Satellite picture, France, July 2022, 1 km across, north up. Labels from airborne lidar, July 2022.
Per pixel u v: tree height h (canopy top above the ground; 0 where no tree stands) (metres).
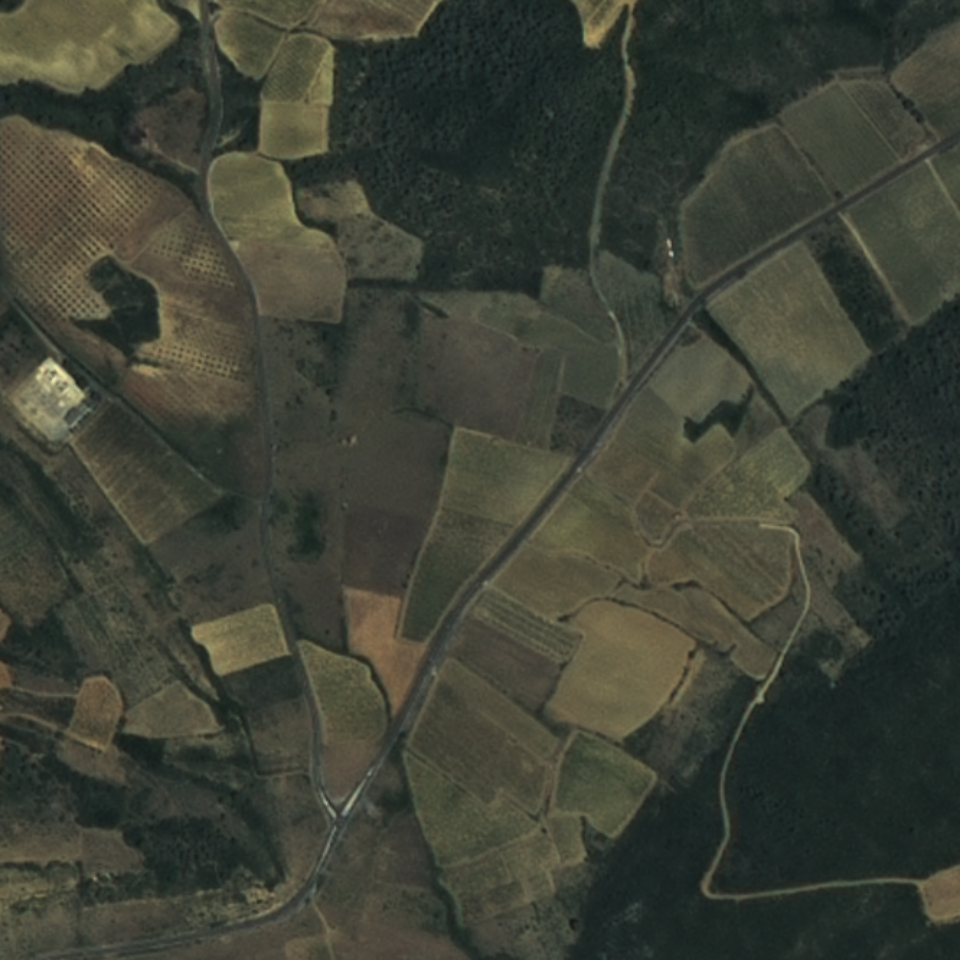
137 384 0
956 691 0
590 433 0
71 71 0
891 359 6
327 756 0
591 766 0
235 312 0
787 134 0
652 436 0
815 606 0
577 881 0
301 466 0
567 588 0
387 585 0
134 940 0
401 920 0
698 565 0
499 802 0
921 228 0
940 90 0
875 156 0
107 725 0
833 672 0
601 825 0
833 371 0
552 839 0
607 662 0
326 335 6
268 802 0
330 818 0
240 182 0
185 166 0
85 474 0
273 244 0
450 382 0
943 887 0
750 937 0
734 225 0
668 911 0
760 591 0
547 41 8
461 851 0
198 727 0
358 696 0
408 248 0
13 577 0
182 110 0
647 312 0
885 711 0
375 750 0
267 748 0
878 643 6
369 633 0
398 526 0
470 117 8
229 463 0
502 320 0
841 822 0
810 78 0
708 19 9
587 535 0
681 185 0
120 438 0
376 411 0
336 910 0
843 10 5
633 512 0
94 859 0
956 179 0
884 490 0
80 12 0
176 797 0
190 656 0
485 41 8
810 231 0
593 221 0
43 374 0
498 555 0
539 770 0
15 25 0
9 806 0
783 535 0
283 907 0
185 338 0
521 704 0
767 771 0
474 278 0
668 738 0
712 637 0
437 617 0
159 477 0
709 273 0
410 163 8
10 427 0
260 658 0
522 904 0
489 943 0
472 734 0
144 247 0
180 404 0
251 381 0
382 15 0
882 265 0
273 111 0
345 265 0
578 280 0
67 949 0
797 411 0
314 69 0
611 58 7
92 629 0
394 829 0
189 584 0
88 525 0
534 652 0
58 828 0
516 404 0
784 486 0
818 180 0
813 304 0
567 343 0
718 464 0
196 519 0
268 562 0
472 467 0
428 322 0
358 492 0
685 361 0
